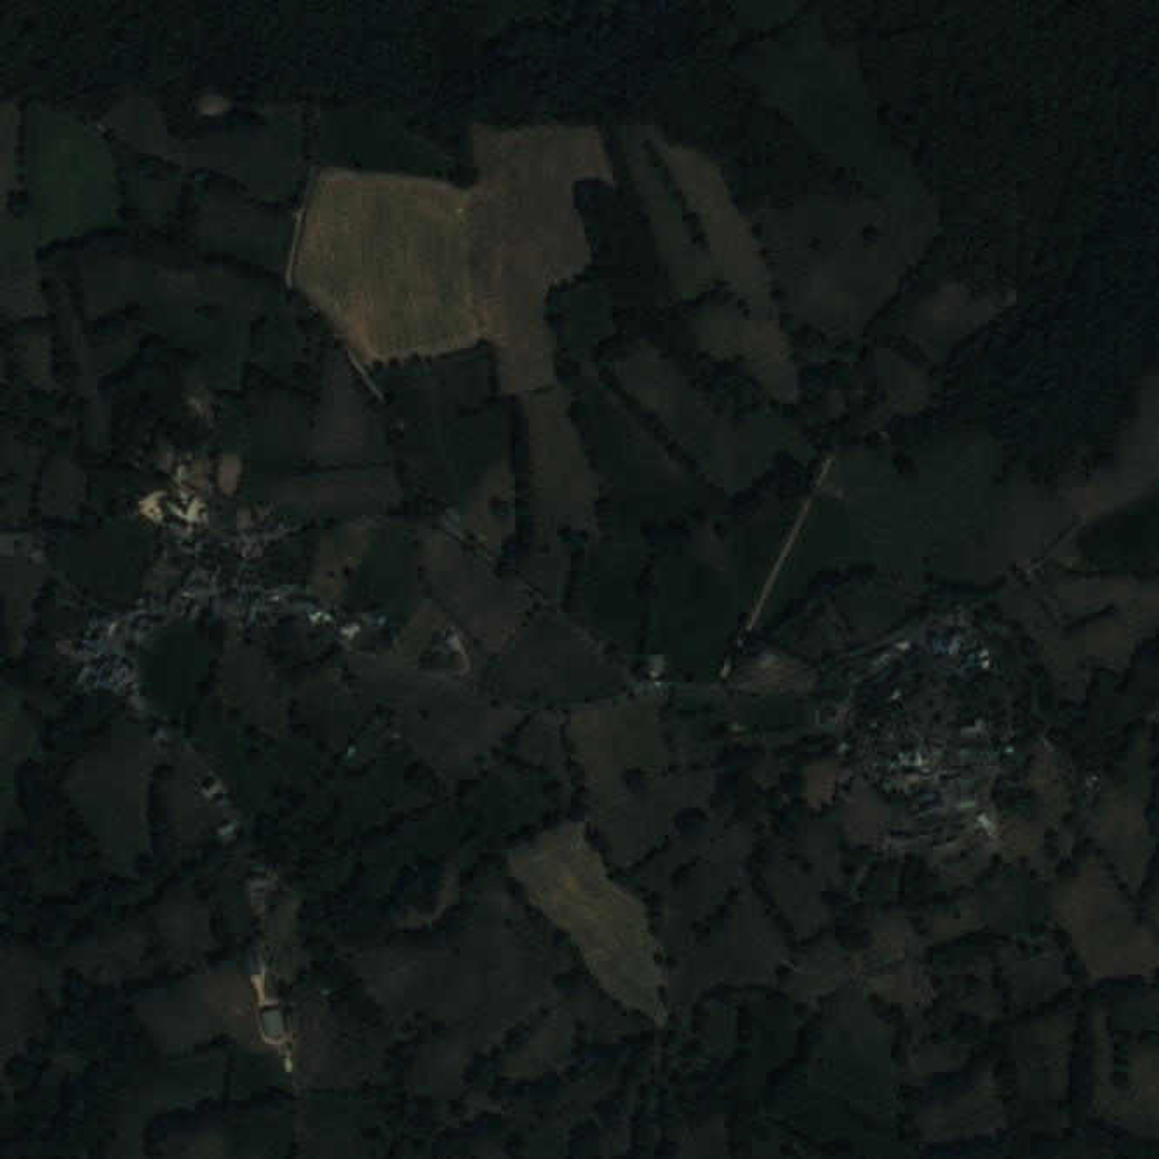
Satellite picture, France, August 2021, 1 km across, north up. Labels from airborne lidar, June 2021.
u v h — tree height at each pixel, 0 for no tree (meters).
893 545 0
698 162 0
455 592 0
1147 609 0
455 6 17
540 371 0
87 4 17
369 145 0
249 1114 9
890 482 0
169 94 17
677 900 0
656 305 19
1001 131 22
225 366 0
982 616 10
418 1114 11
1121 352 22
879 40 17
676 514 0
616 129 15
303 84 22
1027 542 0
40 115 0
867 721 7
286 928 0
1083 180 17
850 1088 0
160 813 19
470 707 0
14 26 19
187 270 16
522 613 0
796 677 0
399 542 0
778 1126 19
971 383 21
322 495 0
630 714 0
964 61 19
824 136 0
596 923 0
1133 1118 0
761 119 23
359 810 0
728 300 12
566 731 6
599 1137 17
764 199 20
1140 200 26
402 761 0
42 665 19
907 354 16
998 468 0
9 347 14
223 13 21
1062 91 12
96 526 14
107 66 20
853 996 0
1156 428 0
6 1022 0
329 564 0
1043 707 12
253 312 0
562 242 0
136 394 17
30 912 27
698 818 17
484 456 0
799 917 0
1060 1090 0
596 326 0
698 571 0
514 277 0
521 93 20
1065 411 20
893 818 0
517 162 0
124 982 0
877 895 19
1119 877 8
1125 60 7
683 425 0
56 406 17
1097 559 0
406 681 0
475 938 0
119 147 17
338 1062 0
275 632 7
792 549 0
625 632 0
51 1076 29
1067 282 19
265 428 0
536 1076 0
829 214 0
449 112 16
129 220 20
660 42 11
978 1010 0
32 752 0
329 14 25
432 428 0
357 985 20
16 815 0
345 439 0
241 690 0
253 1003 0
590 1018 0
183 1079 0
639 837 0
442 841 0
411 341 0
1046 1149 17
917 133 19
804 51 0
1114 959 0
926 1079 0
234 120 13
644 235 21
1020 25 22
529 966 0
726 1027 0
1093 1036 15
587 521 0
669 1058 9
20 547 9
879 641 0
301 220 0
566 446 0
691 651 0
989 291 14
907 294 15
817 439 15
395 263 0
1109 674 13
